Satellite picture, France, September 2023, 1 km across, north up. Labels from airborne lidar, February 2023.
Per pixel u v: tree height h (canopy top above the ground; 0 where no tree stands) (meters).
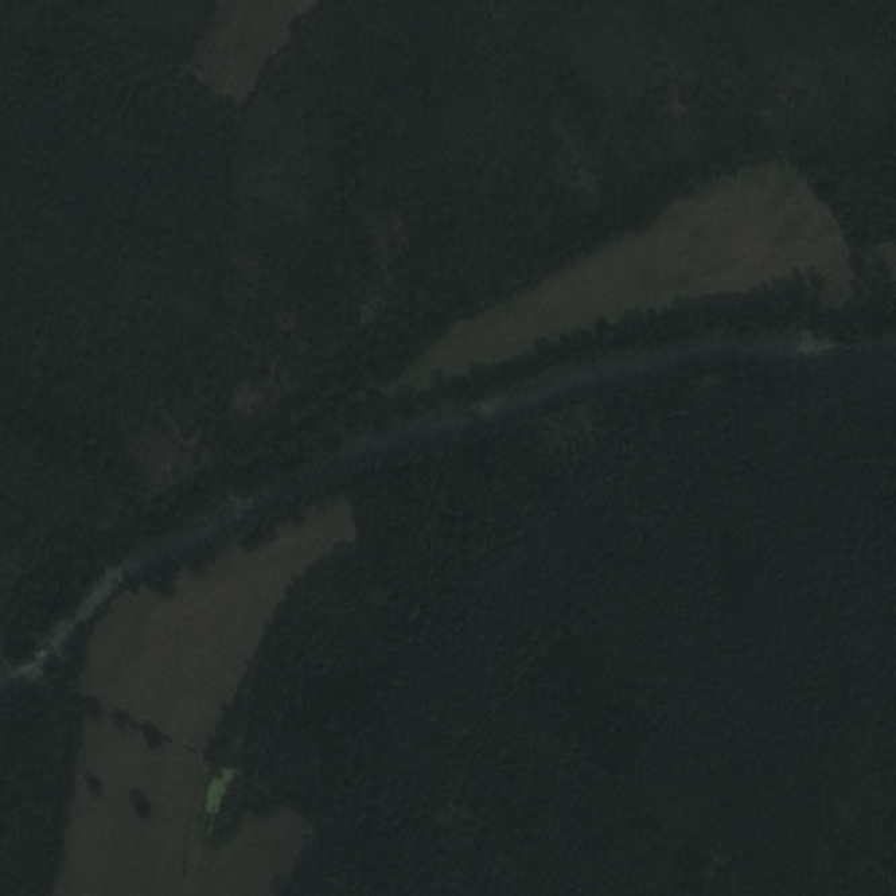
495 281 16
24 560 9
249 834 0
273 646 15
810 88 11
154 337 13
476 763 12
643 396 21
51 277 13
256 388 8
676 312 11
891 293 24
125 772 0
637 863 16
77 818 0
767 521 23
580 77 16
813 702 16
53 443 20
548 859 15
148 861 0
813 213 0
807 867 18
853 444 21
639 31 13
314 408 8
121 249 7
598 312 0
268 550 0
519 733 13
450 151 12
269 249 11
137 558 0
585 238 16
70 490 17
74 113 18
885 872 19
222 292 7
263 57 0
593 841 10
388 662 10
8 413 30
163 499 15
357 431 20
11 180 16
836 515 15
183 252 11
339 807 10
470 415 0
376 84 21
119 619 0
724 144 15
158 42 8
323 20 16
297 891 9
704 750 18
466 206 17
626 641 20
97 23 0
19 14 33
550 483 26
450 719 16
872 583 7
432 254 22
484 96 10
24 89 23
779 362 18
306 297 20
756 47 16
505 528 21
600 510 25
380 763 11
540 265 13
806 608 19
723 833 13
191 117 22
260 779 22
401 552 17
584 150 10
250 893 0
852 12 16
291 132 22
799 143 17
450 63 15
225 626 0
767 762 12
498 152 11
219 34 0
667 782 16
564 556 19
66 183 24
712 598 19
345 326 22
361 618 9
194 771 0
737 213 0
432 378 0
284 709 18
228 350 6
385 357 21
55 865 15
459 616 21
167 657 0
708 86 12
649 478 19
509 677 18
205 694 0
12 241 19
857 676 19
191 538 0
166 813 0
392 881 9
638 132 9
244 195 17
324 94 22
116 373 18
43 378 16
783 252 0
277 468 21
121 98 11
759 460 20
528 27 10
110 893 0
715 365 18
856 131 20
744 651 22
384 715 16
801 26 19
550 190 11
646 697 18
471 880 18
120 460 14
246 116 13
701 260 0
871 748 16
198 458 10
